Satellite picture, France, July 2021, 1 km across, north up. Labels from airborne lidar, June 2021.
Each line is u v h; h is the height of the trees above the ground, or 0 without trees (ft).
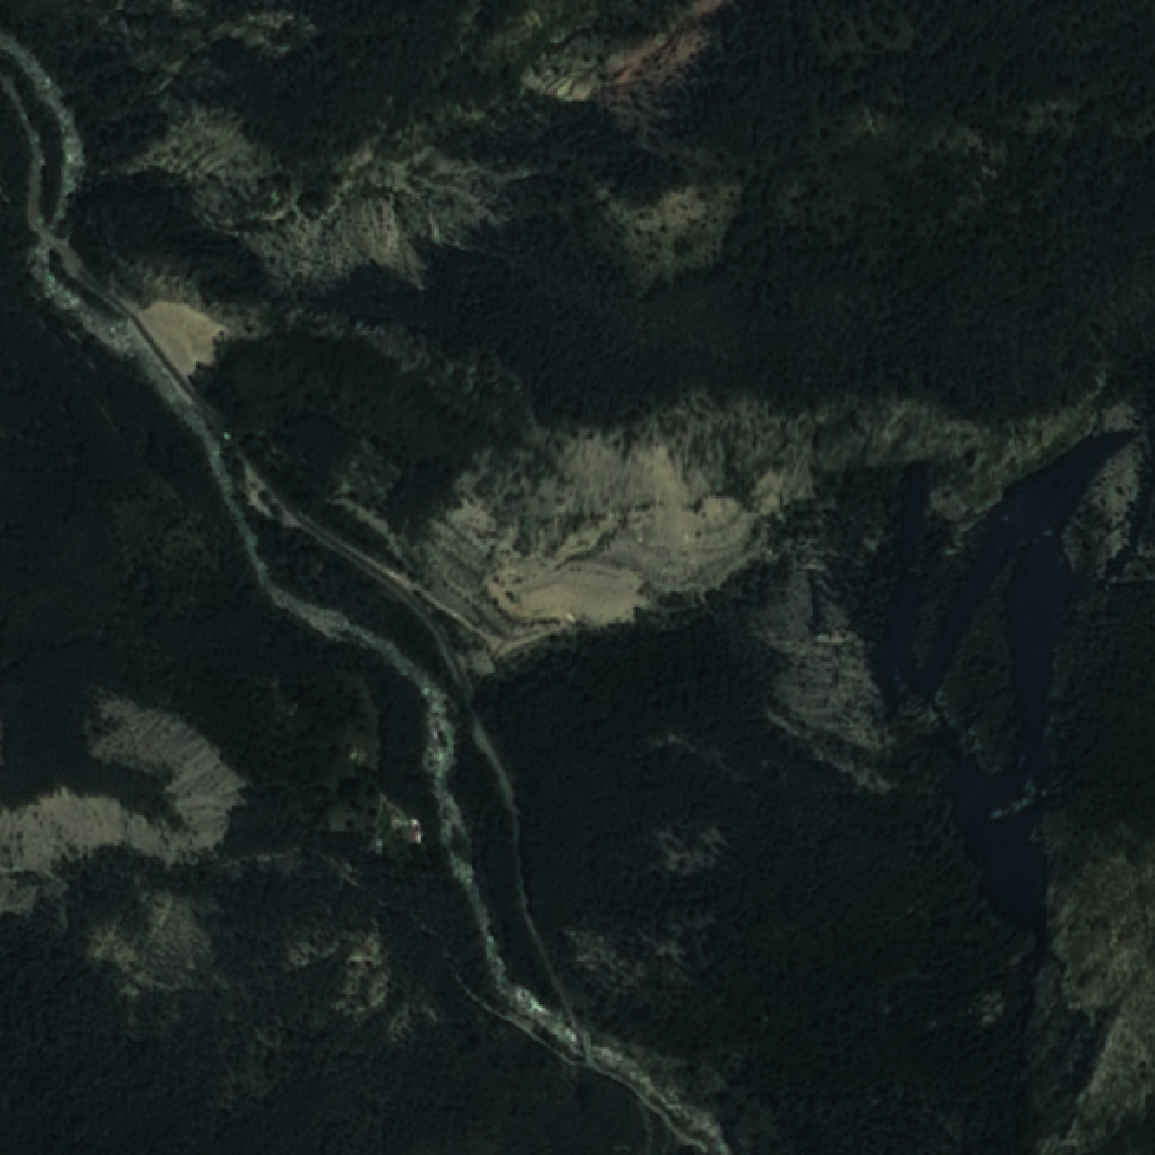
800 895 61
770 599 44
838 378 41
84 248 37
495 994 18
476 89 54
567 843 85
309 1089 32
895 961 24
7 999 48
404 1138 41
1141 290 27
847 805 73
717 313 45
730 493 29
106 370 68
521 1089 30
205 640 59
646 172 49
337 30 49
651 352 39
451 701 23
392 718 70
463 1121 45
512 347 46
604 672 42
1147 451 19
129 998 25
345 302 49
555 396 37
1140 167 91
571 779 74
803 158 41
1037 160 31
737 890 62
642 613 28
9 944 69
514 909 75
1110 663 41
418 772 43
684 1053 21
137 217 52
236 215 23
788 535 37
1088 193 75
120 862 36
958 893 28
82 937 34
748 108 73
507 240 29
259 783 48
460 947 66
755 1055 24
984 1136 21
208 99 39
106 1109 39
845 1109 47
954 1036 31
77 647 64
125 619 27
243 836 62
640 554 0
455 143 52
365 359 32
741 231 70
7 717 49
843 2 64
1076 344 49
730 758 30
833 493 38
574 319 37
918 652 21
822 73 73
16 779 43
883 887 28
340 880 37
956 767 30
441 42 50
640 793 68
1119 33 71
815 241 19
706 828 49
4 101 37
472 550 0
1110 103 27
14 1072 40
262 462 49
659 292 60
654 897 37
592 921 24
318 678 39
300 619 33
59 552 50
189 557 29
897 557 25
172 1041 25
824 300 40
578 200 25
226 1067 41
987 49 77
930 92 67
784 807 56
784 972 34
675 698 54
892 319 65
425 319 66
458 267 74
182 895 33
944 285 44
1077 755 42
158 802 43
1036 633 30
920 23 55
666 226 21
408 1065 48
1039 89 66
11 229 59
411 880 45
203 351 0
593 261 35
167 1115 53
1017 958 25
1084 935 0
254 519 41
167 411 59
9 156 39
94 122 18
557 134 30
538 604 0
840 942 40
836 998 42
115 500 24
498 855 73
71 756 57
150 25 21
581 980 58
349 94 63
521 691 40
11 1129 52
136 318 0
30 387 70
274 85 61
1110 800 35
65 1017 30
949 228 28
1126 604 47
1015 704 22
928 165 36
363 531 25
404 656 32
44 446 54
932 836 38
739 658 51
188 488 52
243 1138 50
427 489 64
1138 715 49
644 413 20
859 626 24
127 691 44
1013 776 22
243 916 52
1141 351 50
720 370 61
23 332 54
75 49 33
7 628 65
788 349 74
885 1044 58
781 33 64
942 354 76
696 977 45
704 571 0
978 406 38
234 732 45
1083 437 33
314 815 34
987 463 20
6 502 70
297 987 35
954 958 26
